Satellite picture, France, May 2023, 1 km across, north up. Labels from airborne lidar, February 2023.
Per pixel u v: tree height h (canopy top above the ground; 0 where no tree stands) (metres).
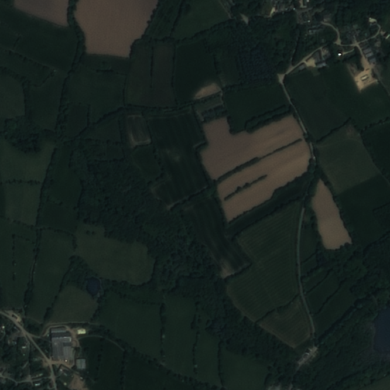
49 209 0
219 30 16
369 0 22
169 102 0
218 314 7
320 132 0
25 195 0
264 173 0
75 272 8
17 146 21
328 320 0
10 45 0
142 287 13
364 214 0
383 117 0
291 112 11
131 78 0
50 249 0
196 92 0
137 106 8
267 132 0
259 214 0
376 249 20
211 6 0
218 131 0
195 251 8
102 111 0
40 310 0
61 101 8
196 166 0
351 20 6
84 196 21
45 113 0
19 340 13
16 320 0
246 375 0
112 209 7
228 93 12
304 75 0
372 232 0
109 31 0
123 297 11
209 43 14
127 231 21
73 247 12
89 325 12
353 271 6
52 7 0
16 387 13
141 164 0
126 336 0
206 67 0
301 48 10
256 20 16
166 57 0
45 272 0
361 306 29
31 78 0
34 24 0
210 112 14
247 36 20
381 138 0
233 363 0
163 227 13
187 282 24
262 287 0
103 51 0
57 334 0
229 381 0
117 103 0
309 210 8
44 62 0
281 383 16
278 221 0
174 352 0
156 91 0
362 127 0
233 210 0
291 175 0
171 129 0
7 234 0
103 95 0
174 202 0
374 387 0
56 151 14
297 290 0
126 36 0
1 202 0
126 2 0
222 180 7
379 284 26
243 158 0
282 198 0
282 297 0
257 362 0
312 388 6
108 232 5
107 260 0
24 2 0
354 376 20
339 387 19
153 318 0
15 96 0
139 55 0
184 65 0
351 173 0
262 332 16
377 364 8
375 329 0
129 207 13
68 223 0
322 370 12
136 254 0
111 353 0
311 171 15
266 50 20
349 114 0
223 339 19
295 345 0
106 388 0
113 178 13
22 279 0
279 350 14
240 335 7
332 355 10
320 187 0
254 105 0
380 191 0
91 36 0
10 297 0
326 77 0
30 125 10
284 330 0
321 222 0
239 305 0
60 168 0
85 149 7
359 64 10
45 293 0
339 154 0
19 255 0
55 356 0
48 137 13
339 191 0
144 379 0
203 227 0
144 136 0
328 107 0
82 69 0
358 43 0
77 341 0
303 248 0
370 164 0
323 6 15
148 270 0
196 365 7
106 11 0
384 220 6
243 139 0
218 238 0
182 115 0
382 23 15
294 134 0
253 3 12
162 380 0
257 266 0
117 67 0
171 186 0
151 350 0
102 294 8
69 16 10
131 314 0
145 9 0
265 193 0
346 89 0
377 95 0
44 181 9
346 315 18
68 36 0
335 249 6
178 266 8
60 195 0
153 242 24
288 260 0
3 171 0
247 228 7
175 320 0
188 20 0
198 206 0
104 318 0
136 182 8
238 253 0
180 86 0
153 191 0
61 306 0
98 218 16
